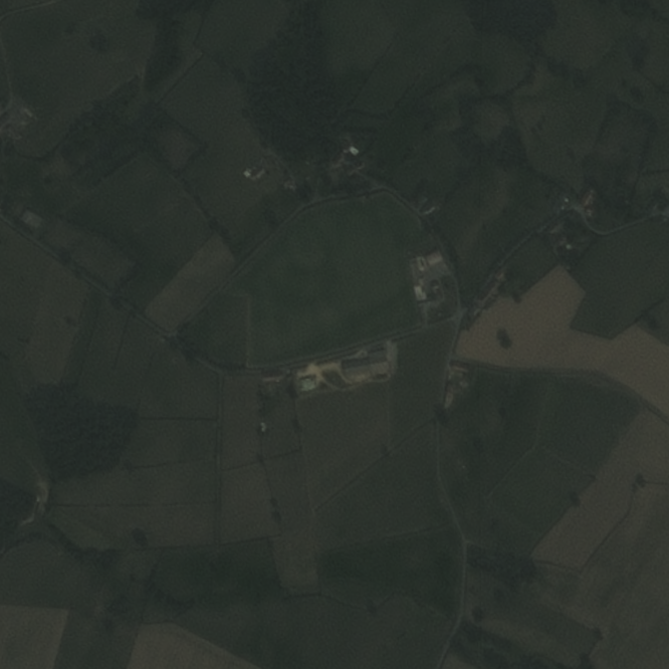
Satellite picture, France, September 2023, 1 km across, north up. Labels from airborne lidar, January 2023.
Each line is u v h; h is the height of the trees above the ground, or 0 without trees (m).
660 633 0
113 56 0
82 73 0
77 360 0
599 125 0
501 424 0
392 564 0
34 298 0
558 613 0
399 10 0
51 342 0
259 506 0
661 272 0
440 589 0
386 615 0
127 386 0
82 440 21
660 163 0
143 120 9
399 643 0
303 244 0
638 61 22
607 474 0
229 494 0
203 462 0
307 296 0
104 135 0
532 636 0
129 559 0
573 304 0
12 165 0
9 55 0
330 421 0
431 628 0
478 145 17
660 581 0
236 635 0
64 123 0
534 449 0
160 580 0
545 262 0
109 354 0
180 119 0
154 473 0
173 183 0
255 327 0
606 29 0
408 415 0
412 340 0
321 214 0
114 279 0
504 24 27
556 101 0
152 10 19
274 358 0
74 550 6
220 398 0
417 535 0
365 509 0
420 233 0
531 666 12
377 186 0
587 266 0
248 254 0
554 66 19
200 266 0
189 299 0
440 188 0
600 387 0
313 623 0
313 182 0
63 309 0
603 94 0
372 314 0
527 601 0
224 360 0
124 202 0
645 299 0
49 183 7
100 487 0
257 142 0
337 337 0
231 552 0
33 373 0
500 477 0
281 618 0
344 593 0
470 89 0
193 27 0
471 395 0
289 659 0
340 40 0
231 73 0
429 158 0
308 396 0
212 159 0
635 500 0
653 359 0
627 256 0
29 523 0
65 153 17
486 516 0
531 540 0
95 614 0
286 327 0
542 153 0
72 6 0
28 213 0
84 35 0
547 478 0
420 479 0
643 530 0
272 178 0
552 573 0
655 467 0
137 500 0
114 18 0
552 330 0
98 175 0
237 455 0
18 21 0
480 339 0
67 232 0
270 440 0
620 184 13
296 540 0
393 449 0
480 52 0
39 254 0
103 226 0
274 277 0
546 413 0
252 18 0
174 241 0
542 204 0
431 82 0
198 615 0
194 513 0
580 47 0
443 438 0
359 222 0
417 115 12
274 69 25
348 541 0
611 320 0
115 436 14
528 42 21
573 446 0
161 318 0
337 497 0
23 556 0
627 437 0
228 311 0
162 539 0
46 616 0
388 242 0
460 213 0
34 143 0
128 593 0
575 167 0
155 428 0
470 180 19
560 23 0
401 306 0
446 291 0
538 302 0
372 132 8
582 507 0
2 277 0
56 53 0
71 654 0
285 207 0
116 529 0
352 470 0
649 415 0
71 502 0
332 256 0
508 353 0
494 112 0
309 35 9
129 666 0
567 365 0
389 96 0
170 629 0
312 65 7
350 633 0
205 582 0
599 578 0
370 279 0
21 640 0
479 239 0
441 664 0
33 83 0
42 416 18
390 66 0
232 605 0
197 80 0
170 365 0
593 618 0
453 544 0
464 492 0
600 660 0
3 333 0
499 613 0
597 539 0
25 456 0
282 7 0
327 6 0
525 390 0
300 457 0
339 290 0
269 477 0
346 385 0
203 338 0
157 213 0
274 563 0
